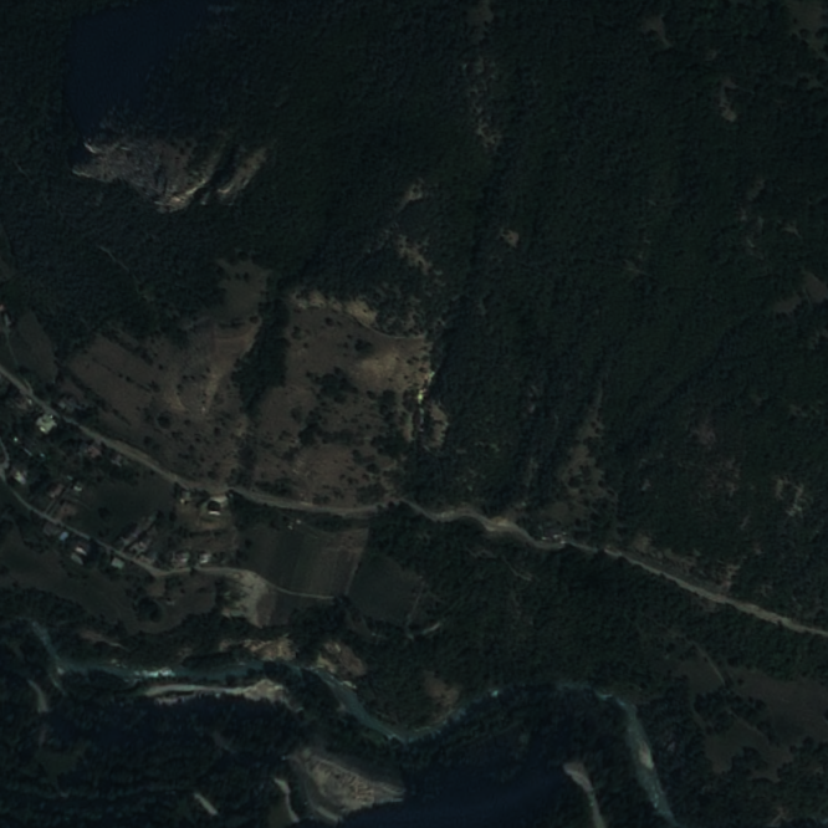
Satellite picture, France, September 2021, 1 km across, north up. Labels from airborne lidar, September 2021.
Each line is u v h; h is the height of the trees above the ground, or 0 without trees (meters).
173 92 12
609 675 17
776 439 14
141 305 14
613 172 17
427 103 10
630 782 24
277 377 11
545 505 15
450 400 10
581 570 22
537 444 11
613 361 9
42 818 18
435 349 9
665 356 13
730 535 11
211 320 0
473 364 14
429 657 12
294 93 15
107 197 8
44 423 0
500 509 9
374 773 0
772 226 15
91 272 12
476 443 9
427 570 8
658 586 14
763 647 7
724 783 11
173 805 9
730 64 18
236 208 14
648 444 10
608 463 14
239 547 0
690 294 13
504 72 10
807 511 8
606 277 13
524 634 13
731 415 9
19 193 12
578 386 13
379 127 12
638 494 13
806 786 12
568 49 14
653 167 11
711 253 14
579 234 13
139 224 10
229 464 0
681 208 13
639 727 0
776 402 12
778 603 6
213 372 0
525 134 15
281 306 14
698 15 14
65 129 17
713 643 10
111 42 17
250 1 11
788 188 16
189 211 9
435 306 9
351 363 0
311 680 15
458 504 7
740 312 14
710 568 9
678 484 8
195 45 10
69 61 19
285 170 10
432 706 10
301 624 7
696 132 17
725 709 17
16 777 11
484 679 12
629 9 13
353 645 12
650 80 13
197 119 11
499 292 13
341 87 17
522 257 15
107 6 11
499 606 16
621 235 12
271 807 9
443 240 10
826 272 16
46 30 16
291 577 0
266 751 15
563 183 9
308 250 15
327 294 9
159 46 11
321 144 15
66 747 10
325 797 0
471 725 9
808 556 11
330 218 24
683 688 11
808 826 21
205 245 13
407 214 9
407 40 15
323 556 0
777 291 14
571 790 22
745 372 13
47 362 0
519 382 9
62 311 6
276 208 14
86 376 0
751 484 6
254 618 0
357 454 9
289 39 12
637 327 13
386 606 0
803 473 10
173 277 11
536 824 23
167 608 0
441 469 10
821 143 18
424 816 0
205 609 0
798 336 10
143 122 8
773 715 0
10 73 14
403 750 14
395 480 7
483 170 15
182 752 19
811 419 9
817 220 16
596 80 12
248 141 10
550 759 13
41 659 17
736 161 14
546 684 9
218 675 0
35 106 7
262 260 12
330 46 16
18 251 11
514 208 10
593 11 20
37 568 0
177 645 14
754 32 18
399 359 0
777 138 14
